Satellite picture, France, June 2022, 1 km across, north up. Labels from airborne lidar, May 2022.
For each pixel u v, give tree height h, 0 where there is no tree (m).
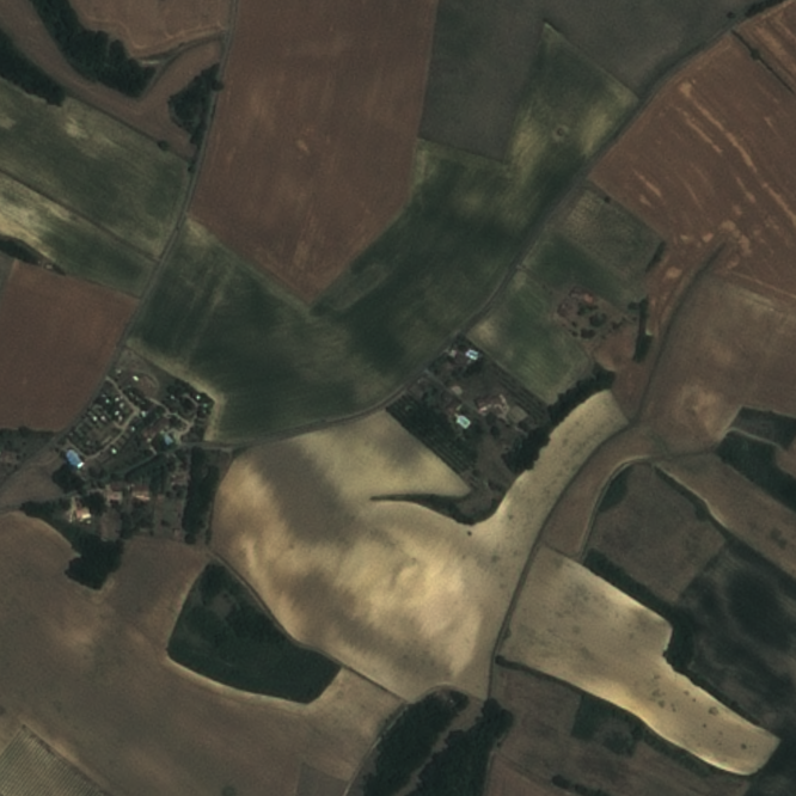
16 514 0
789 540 0
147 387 0
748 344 0
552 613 0
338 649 0
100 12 0
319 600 0
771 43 0
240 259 0
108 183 0
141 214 0
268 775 0
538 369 0
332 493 0
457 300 0
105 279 0
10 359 0
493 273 0
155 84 0
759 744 0
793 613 0
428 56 0
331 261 0
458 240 0
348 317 0
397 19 0
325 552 0
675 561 0
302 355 0
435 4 0
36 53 0
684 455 0
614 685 0
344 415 0
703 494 0
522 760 0
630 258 0
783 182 0
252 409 0
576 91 0
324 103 0
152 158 0
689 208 0
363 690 0
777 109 0
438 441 6
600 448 0
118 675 0
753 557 0
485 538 0
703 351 0
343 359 0
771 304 0
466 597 0
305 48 0
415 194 0
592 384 9
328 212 0
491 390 0
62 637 0
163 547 0
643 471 0
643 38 0
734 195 0
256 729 0
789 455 0
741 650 0
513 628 0
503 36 0
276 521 0
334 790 0
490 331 0
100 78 7
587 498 0
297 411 0
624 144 0
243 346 0
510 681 0
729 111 0
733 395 0
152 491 10
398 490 0
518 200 0
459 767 10
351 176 0
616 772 0
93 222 0
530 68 0
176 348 0
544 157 0
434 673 0
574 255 0
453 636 0
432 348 0
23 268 0
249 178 0
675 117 0
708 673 0
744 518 0
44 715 0
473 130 0
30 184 0
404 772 18
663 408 0
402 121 0
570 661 0
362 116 0
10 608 0
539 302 0
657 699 0
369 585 0
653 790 0
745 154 0
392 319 0
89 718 0
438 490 0
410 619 0
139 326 0
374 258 0
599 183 0
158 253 0
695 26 0
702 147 0
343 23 0
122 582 0
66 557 0
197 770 0
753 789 0
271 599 0
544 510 0
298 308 0
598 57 0
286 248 0
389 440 0
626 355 0
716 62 0
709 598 0
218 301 0
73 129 0
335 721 0
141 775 0
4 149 0
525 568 0
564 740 0
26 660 0
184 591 0
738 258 0
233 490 0
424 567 0
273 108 0
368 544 0
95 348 0
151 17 0
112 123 0
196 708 0
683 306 0
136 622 0
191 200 0
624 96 0
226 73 0
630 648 0
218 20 0
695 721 0
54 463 0
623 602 0
